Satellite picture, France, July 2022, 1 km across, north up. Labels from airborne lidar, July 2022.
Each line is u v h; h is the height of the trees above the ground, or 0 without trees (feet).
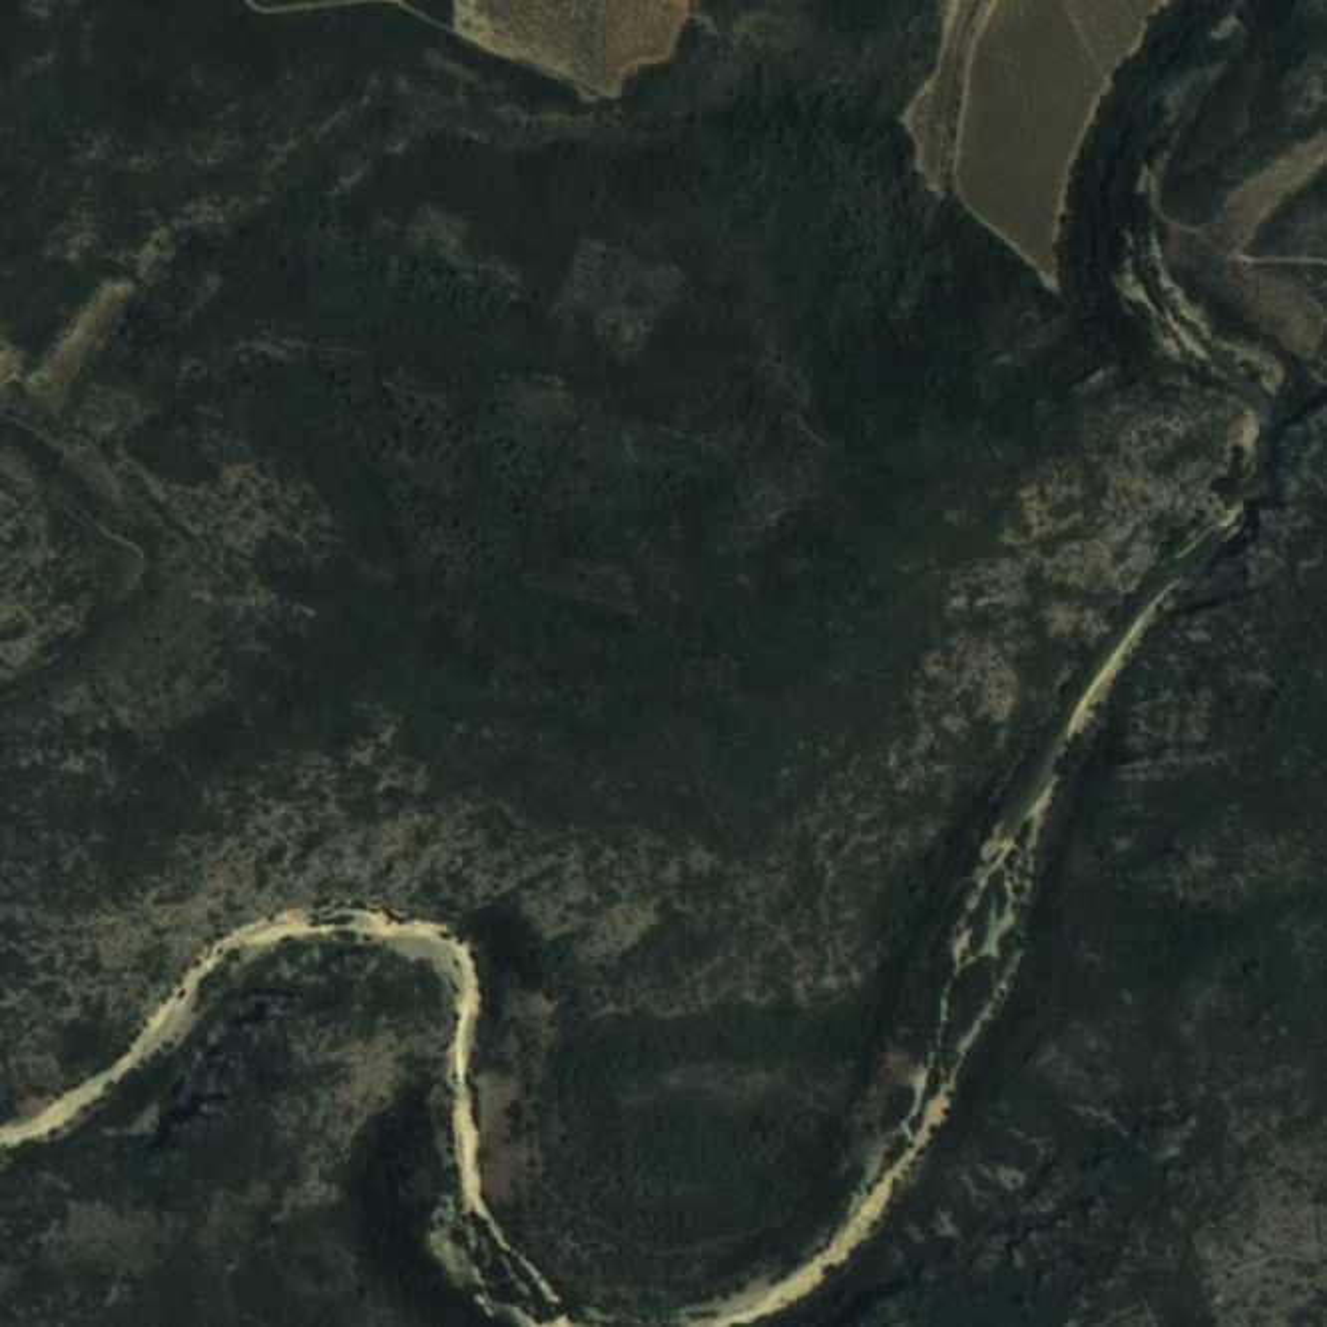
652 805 0
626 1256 23
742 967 0
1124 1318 0
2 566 0
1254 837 0
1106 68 0
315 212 0
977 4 0
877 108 43
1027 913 40
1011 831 0
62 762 0
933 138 0
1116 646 0
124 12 0
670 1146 24
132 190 0
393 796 23
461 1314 33
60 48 0
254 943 0
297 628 0
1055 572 0
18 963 0
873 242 27
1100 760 33
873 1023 29
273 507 20
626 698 17
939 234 20
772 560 19
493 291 26
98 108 0
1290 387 19
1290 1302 0
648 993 0
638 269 0
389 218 0
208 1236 0
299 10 0
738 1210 19
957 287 18
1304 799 0
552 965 42
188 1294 0
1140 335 55
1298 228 0
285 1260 25
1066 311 40
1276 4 31
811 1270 0
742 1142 23
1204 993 0
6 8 0
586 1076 22
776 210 20
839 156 57
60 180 0
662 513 20
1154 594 0
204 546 0
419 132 0
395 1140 31
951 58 0
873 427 27
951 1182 0
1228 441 0
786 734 0
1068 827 17
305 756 0
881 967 24
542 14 0
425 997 0
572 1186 25
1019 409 17
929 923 24
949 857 28
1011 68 0
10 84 0
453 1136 21
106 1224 0
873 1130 19
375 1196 37
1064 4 0
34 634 0
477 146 20
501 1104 0
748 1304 0
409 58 0
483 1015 17
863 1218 0
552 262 0
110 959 0
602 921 0
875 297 18
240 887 0
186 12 0
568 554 18
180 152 0
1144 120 34
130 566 0
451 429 33
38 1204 0
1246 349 0
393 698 0
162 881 0
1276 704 29
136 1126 0
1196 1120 0
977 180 0
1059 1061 0
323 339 20
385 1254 32
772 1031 20
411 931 0
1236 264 0
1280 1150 0
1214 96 23
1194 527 19
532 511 23
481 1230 24
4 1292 0
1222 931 19
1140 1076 0
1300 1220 0
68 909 0
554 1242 20
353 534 0
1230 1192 0
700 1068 0
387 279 28
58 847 0
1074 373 23
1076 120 0
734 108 17
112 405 0
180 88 0
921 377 22
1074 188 26
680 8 0
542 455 20
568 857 24
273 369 22
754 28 0
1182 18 21
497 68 19
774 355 23
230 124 0
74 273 0
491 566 26
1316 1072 0
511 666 0
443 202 0
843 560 20
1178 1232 0
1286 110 0
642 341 0
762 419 19
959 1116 21
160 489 0
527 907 0
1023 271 29
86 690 0
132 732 20
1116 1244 0
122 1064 0
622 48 0
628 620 23
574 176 0
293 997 20
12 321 0
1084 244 43
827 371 24
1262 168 0
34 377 0
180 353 22
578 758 0
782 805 0
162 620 0
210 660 0
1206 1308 0
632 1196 23
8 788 0
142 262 0
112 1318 0
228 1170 0
